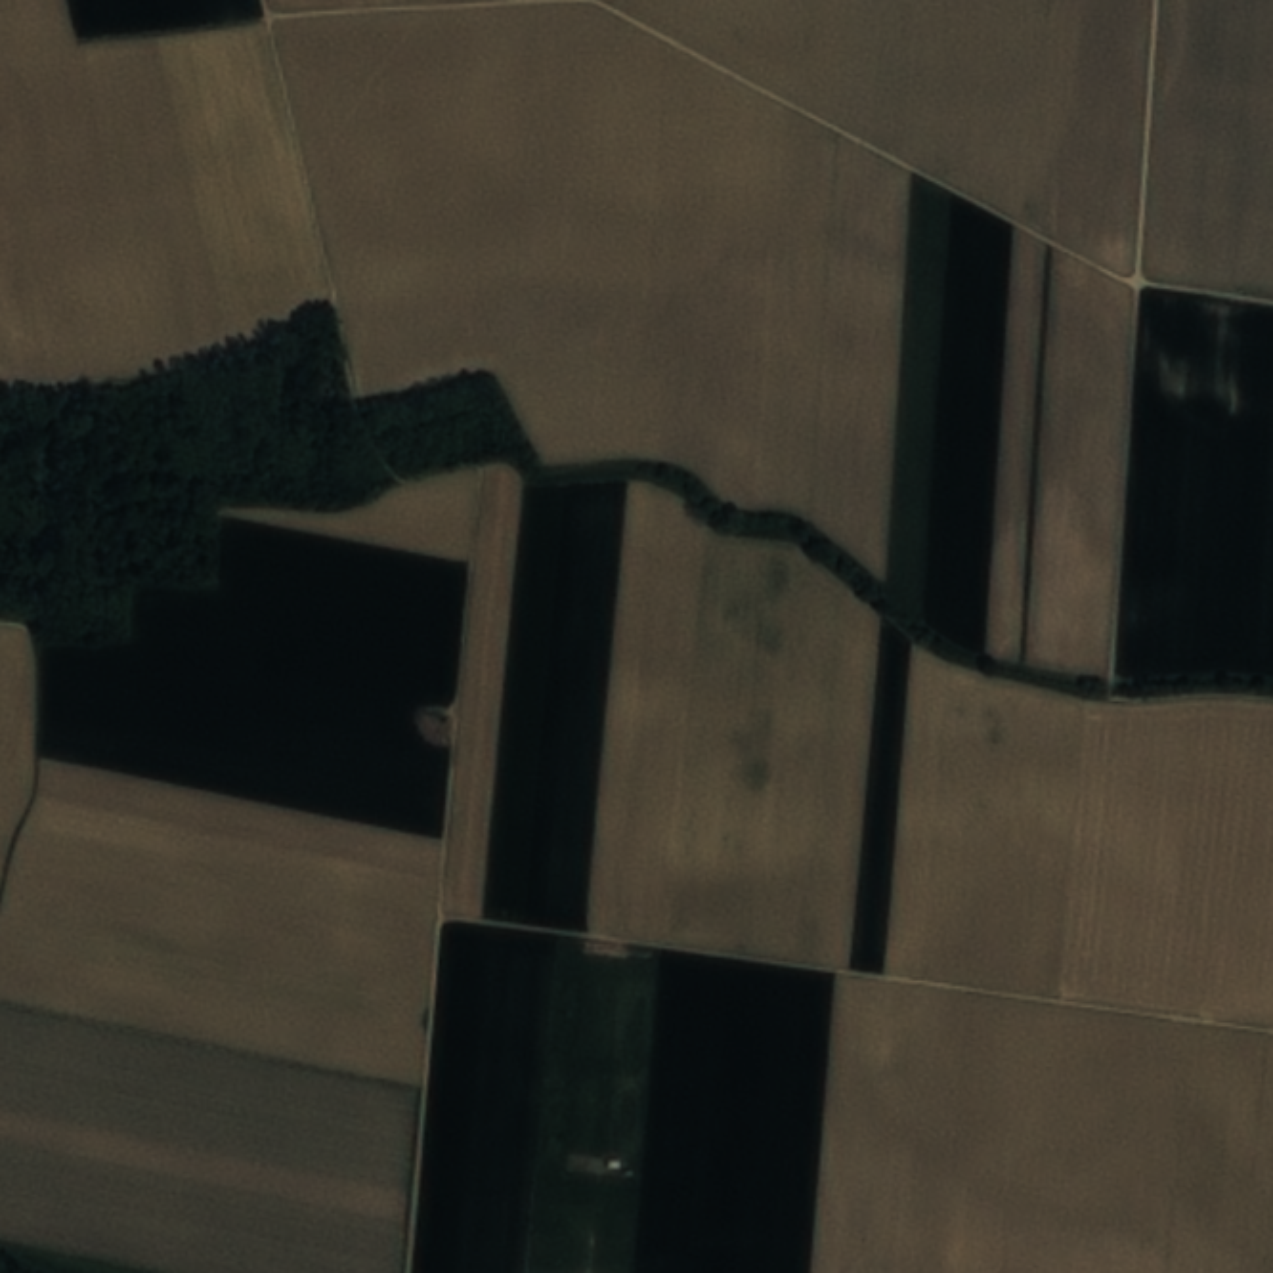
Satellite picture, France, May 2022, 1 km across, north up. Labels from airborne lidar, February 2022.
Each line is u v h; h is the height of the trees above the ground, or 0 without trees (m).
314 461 17
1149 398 0
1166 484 0
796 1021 0
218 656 0
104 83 0
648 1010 0
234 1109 0
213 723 0
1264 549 0
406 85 0
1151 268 0
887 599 11
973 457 0
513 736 0
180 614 0
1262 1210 0
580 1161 0
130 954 0
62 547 26
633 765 0
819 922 0
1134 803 0
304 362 23
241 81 0
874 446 0
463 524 0
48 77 0
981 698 0
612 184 0
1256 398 0
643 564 0
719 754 0
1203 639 0
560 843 0
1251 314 0
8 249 0
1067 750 0
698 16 0
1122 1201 0
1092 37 0
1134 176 0
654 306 0
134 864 0
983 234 0
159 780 0
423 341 0
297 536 0
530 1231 0
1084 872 0
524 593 0
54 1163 0
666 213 0
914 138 0
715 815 0
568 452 0
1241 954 0
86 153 0
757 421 0
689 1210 0
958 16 0
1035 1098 0
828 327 0
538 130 0
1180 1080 0
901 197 0
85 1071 0
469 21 0
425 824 0
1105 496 0
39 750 0
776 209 0
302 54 0
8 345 0
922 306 0
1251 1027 0
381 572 0
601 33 0
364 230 0
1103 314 0
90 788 0
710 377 0
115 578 16
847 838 0
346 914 0
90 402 20
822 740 0
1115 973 0
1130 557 0
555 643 0
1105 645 0
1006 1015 0
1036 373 0
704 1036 0
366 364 0
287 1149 0
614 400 0
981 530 0
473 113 0
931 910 0
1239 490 0
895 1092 0
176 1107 0
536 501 0
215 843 0
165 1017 0
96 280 0
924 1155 0
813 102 0
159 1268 0
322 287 0
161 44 0
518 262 0
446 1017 0
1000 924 0
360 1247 0
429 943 0
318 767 0
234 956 0
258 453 22
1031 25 0
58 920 0
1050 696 0
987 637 0
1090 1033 0
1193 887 0
